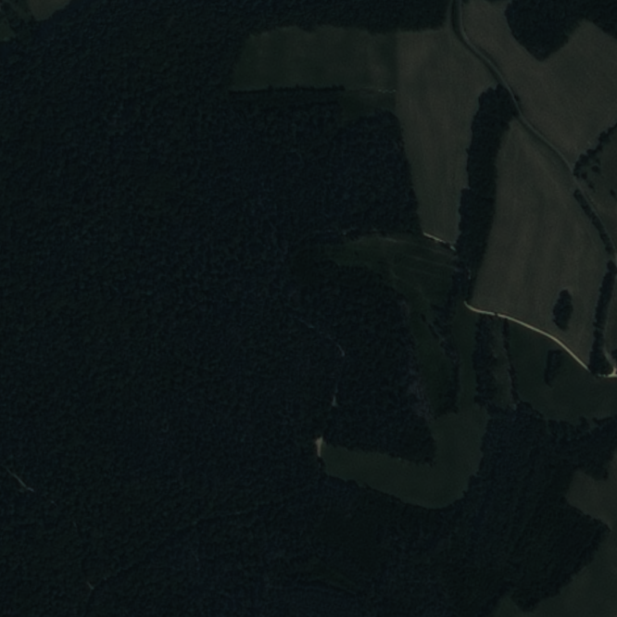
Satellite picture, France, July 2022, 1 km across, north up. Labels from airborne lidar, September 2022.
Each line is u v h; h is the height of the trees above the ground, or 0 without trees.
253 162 23
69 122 21
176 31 20
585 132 0
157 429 19
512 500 16
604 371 16
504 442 17
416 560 18
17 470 13
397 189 26
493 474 21
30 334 14
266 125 12
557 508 5
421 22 21
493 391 18
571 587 0
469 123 0
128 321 18
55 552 19
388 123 23
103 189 16
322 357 17
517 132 0
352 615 26
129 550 17
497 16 0
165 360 11
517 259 0
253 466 21
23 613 19
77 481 17
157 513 19
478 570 7
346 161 31
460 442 0
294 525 13
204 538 20
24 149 19
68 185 25
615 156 0
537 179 0
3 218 24
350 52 0
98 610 17
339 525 8
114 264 20
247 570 25
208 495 17
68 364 13
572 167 0
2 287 20
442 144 0
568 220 0
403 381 14
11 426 14
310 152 26
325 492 21
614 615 0
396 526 9
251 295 25
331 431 16
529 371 0
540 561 6
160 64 18
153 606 24
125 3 19
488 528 24
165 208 20
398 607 22
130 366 18
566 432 19
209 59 16
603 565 0
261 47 0
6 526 20
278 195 24
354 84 0
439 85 0
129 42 21
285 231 20
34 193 27
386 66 0
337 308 18
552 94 0
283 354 15
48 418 14
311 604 26
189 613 19
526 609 17
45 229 21
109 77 19
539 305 0
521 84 0
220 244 24
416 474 0
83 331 19
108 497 17
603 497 0
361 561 7
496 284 0
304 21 14
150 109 25
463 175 0
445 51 0
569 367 0
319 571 7
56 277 18
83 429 18
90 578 15
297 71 0
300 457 20
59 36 23
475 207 20
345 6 22
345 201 27
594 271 0
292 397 20
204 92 24
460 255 16
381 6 20
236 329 20
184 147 21
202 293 7
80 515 21
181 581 20
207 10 28
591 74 0
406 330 28
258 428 18
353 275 12
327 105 23
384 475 0
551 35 27
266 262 25
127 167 22
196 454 20
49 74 26
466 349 0
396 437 21
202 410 21
